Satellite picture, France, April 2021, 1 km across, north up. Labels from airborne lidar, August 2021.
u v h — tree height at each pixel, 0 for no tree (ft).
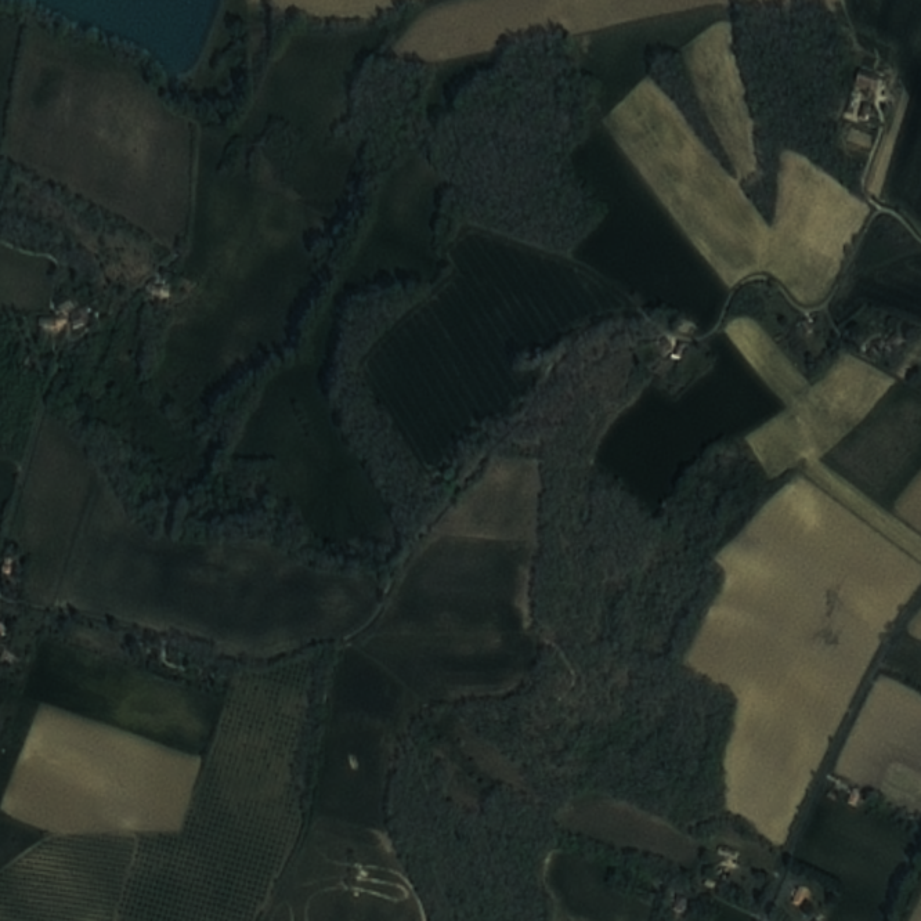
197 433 28
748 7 58
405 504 53
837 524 0
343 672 0
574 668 23
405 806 60
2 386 23
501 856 76
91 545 0
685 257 0
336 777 0
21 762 0
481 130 66
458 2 0
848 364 0
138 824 0
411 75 62
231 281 0
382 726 0
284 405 0
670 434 0
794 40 64
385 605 55
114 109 0
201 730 0
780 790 0
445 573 0
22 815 0
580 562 30
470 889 60
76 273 39
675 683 68
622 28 0
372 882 0
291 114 0
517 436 43
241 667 32
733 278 0
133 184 0
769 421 0
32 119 0
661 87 51
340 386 86
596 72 0
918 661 0
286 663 27
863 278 0
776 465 0
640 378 22
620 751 56
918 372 46
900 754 0
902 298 0
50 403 52
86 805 0
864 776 0
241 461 39
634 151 0
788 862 54
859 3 0
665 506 34
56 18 41
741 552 0
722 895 58
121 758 0
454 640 0
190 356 0
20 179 43
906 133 0
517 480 0
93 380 47
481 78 66
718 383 0
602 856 46
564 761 46
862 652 0
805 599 0
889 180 0
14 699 0
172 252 26
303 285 0
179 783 0
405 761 60
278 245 0
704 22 0
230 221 0
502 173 71
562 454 49
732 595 0
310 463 0
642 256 0
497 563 0
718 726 53
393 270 0
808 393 0
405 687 0
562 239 59
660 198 0
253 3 0
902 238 26
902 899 81
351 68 0
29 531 0
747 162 0
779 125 58
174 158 0
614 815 0
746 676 0
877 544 0
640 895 30
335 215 0
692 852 0
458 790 0
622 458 0
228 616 0
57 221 22
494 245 0
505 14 0
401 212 0
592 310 0
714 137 39
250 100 83
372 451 77
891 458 0
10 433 31
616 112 0
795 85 62
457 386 0
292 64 0
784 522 0
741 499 24
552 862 0
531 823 75
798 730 0
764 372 0
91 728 0
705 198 0
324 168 0
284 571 0
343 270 102
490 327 0
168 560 0
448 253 0
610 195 0
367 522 0
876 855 0
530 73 54
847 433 0
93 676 0
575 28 0
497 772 0
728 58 0
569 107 67
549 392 31
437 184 0
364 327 60
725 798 52
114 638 0
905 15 0
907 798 0
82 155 0
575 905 0
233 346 0
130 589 0
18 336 31
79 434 52
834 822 0
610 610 23
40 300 0
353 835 0
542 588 57
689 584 53
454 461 37
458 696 0
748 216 0
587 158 0
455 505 36
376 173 56
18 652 24
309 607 0
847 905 0
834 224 0
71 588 0
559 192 69
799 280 0
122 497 42
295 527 61
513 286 0
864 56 0
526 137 66
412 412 0
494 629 0
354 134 68
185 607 0
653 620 26
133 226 35
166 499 54
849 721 0
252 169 22
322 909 0
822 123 73
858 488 0
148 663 26
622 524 66
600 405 52
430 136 71
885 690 0
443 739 25
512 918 45
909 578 0
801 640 0
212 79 0
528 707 57
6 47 0
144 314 62
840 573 0
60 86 0
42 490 0
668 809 66
